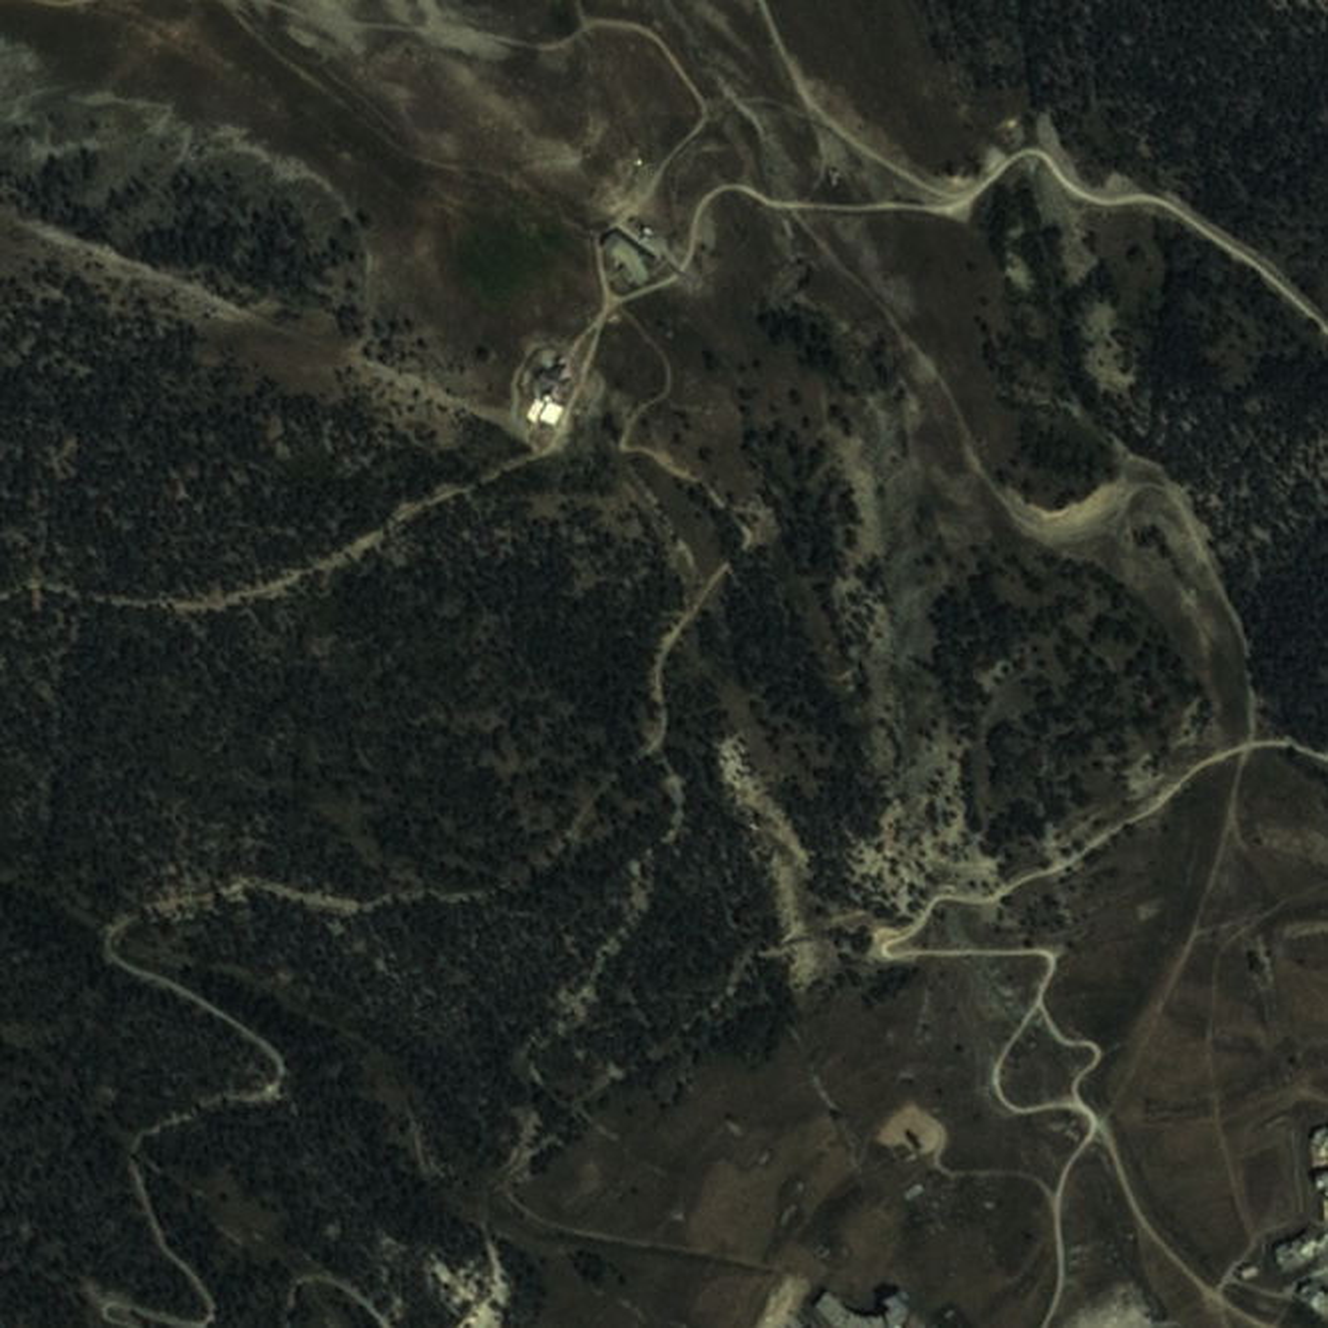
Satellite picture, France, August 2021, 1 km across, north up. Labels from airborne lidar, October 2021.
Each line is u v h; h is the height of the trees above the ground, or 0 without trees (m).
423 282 0
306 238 7
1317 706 11
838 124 0
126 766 10
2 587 10
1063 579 8
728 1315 0
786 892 0
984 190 0
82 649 10
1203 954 0
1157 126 8
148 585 11
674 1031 7
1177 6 8
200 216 8
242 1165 7
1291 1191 0
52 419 12
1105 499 0
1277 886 0
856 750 11
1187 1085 0
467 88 0
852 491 8
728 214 0
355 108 0
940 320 0
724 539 7
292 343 0
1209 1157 0
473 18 0
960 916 0
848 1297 0
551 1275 0
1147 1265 0
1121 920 0
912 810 0
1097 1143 0
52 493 9
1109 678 9
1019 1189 0
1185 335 10
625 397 0
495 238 0
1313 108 11
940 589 0
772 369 0
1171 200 0
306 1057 7
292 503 11
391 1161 14
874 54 0
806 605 0
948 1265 0
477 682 7
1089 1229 0
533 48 0
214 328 0
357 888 11
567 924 10
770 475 9
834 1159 0
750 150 0
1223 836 0
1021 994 0
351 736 12
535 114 0
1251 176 11
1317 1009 0
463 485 9
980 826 8
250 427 12
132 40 0
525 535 7
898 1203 0
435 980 10
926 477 0
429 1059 8
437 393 0
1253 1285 0
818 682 11
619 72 0
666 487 0
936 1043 0
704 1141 0
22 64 0
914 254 0
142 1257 11
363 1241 8
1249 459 9
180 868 9
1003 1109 0
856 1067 0
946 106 0
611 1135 0
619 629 8
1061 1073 0
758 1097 0
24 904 7
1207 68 8
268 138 0
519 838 8
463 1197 0
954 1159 0
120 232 0
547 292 0
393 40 0
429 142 0
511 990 11
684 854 8
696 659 0
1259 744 0
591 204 0
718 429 0
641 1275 0
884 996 12
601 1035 10
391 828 13
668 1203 0
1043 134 0
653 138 0
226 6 0
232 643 10
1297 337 9
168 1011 11
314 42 0
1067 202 0
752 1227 0
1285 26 6
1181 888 0
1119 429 7
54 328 11
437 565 15
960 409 0
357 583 12
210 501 7
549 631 7
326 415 7
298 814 8
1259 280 7
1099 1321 0
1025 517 0
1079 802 9
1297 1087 0
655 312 0
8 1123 10
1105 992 0
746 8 0
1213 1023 0
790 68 0
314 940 11
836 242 0
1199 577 0
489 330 0
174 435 13
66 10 0
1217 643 0
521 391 0
